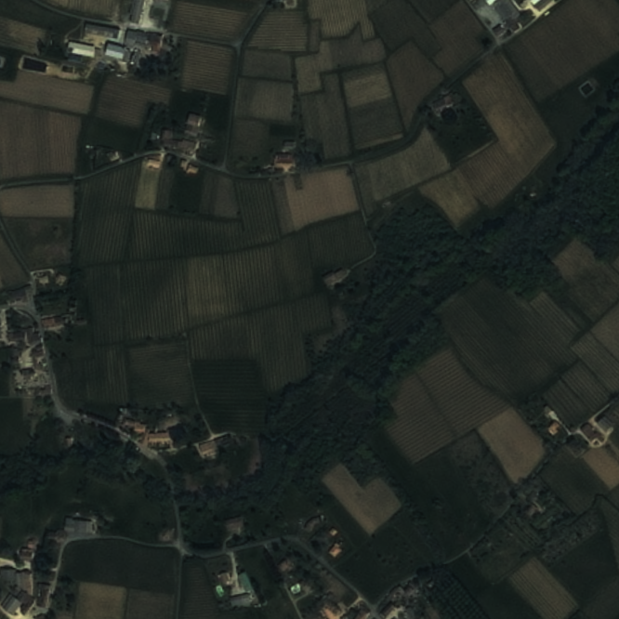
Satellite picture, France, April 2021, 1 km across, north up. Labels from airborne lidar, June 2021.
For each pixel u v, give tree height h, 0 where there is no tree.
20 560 16
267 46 0
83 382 0
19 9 0
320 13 0
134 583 0
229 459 14
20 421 0
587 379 0
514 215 15
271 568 7
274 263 0
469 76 0
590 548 0
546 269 20
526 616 0
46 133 0
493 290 0
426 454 0
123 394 0
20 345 14
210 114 0
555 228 8
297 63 0
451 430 0
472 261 9
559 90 0
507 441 0
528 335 0
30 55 0
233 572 7
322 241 0
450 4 0
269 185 0
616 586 0
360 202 0
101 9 0
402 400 0
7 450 0
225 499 22
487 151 0
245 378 0
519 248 21
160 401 0
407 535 0
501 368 0
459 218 0
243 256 0
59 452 0
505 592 0
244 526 8
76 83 0
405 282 14
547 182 0
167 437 0
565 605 0
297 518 0
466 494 0
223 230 0
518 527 5
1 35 0
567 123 0
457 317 0
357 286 8
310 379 9
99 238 0
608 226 19
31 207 0
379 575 0
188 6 0
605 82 0
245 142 0
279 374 0
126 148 0
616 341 0
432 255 17
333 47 0
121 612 0
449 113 14
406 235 7
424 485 0
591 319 0
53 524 0
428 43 0
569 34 0
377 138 0
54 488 0
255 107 0
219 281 0
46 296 8
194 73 0
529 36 0
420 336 21
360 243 0
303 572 11
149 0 0
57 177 0
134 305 0
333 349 10
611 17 0
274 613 0
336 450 9
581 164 20
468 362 0
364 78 0
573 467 0
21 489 15
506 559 0
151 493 18
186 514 10
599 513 0
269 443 19
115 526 0
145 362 0
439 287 7
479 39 0
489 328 0
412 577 0
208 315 0
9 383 0
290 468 17
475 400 0
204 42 0
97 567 0
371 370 6
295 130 0
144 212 0
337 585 0
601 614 0
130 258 0
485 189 0
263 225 0
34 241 0
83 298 0
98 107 0
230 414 0
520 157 0
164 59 13
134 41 0
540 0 0
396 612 0
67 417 0
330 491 0
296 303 0
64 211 0
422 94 0
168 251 0
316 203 0
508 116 0
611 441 0
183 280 0
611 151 23
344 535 0
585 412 0
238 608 7
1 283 0
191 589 0
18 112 0
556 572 0
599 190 23
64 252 0
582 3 0
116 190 0
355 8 0
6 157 0
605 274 0
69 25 0
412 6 0
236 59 0
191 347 0
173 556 0
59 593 13
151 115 8
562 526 15
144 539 0
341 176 0
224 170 0
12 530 0
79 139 0
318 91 0
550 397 0
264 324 0
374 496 0
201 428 17
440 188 0
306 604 0
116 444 12
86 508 0
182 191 0
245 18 0
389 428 0
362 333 22
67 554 0
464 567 0
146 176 0
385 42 0
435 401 0
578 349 0
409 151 0
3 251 0
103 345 0
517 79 0
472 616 22
